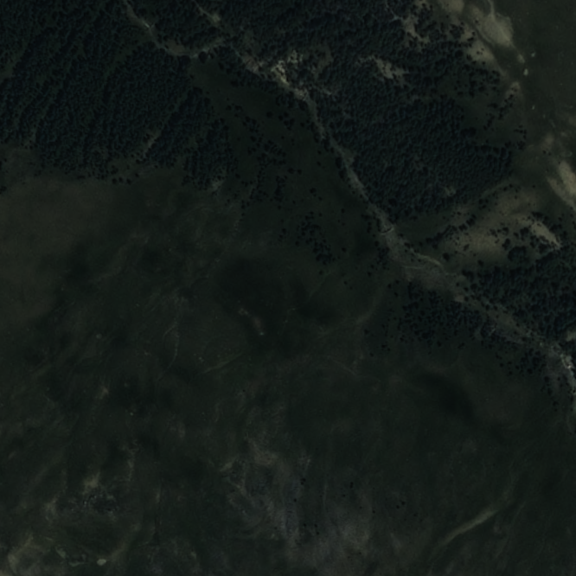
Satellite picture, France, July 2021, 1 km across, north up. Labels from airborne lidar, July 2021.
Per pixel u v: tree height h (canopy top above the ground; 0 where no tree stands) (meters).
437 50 9
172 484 0
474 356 0
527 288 16
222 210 0
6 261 0
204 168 19
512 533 0
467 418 0
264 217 0
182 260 0
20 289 0
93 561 0
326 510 0
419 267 0
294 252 0
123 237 0
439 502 0
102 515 0
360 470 0
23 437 0
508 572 0
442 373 0
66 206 0
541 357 8
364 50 12
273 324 0
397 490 0
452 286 0
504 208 0
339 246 0
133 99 19
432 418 0
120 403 0
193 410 0
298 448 0
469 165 22
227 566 0
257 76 18
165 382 0
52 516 0
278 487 0
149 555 0
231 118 0
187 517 0
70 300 0
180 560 0
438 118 21
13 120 11
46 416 0
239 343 0
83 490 0
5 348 0
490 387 0
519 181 0
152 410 0
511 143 6
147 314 0
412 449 0
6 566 0
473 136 19
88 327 0
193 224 0
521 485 0
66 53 22
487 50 0
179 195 0
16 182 0
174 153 13
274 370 0
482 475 0
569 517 0
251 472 0
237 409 0
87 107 21
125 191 0
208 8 18
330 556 0
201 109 21
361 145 23
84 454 0
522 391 0
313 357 0
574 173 0
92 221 0
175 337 0
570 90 0
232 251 0
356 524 0
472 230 0
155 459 0
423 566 0
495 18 0
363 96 13
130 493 0
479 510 0
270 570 0
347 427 0
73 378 0
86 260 0
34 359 0
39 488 0
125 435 0
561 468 0
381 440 0
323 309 0
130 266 0
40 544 0
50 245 0
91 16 25
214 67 0
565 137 0
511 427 0
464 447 0
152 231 0
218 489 0
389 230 0
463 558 0
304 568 0
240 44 15
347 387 0
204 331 0
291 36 20
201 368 0
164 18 17
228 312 0
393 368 0
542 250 18
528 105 0
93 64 19
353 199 0
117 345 0
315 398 0
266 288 0
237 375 0
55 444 0
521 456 0
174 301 0
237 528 0
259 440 0
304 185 0
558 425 0
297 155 0
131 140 15
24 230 0
